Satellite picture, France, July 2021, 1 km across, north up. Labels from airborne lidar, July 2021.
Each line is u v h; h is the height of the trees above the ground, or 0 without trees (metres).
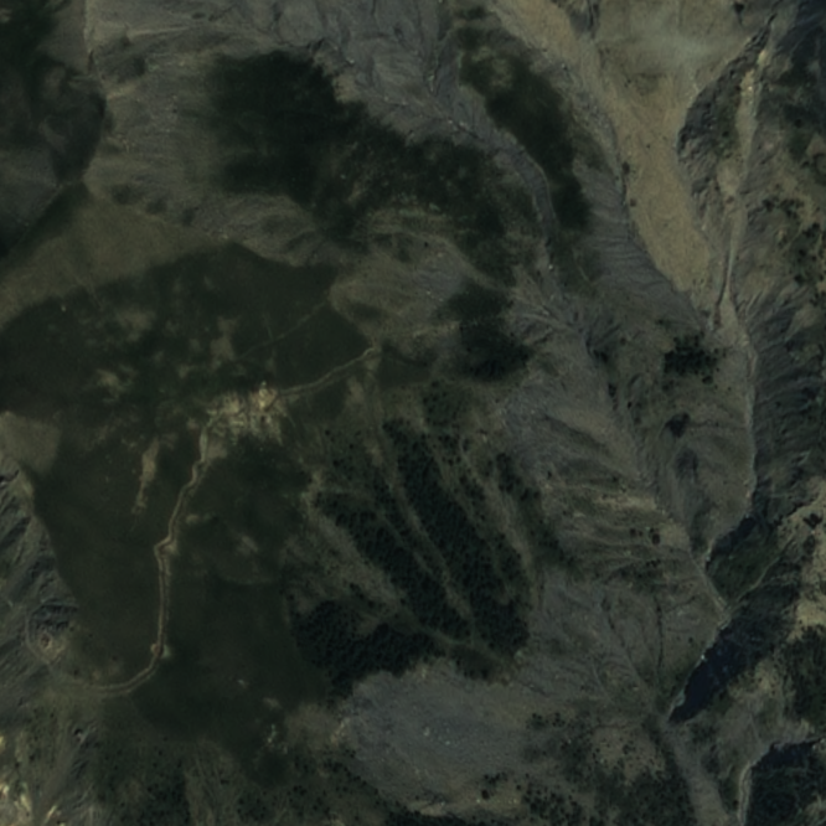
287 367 0
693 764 0
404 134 0
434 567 9
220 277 0
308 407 0
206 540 0
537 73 0
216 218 0
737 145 0
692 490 0
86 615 0
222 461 0
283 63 0
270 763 0
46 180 0
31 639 0
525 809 0
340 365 0
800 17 0
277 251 0
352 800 0
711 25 0
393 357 0
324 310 0
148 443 0
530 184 0
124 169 0
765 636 6
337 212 0
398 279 0
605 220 0
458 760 0
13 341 0
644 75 0
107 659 0
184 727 0
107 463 0
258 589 0
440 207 0
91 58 0
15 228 0
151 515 0
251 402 0
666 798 7
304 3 0
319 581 0
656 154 0
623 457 0
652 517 0
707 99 0
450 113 0
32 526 0
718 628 0
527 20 0
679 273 0
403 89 0
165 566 0
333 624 10
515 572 6
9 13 0
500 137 0
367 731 0
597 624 0
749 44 0
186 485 0
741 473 0
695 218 0
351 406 0
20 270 0
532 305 0
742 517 0
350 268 0
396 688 0
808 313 0
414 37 0
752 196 0
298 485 0
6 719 0
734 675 8
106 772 0
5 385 0
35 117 0
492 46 0
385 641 14
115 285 0
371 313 0
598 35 0
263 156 0
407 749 0
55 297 0
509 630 17
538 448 0
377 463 0
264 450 0
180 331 0
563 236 0
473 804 0
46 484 0
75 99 0
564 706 0
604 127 0
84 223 0
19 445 0
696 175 0
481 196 0
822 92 0
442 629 14
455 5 0
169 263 0
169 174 0
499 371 13
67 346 0
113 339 0
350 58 0
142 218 0
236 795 0
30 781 0
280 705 0
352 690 8
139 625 0
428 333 0
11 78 0
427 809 0
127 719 0
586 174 0
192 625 0
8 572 0
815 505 0
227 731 0
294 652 0
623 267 0
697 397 0
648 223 0
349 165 0
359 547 6
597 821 12
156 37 0
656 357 0
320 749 0
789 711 7
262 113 0
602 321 0
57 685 0
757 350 0
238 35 0
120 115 0
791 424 0
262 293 0
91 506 0
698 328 0
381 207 0
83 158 0
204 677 0
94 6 0
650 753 0
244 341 0
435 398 9
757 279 0
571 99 0
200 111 0
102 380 0
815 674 7
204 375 0
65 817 0
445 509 18
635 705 0
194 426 0
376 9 0
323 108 0
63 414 0
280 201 0
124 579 0
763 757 0
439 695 0
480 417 0
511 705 0
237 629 0
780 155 0
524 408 0
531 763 0
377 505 7
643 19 0
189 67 0
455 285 0
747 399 0
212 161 0
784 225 0
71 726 0
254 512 0
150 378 0
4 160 0
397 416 0
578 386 0
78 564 0
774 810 18
